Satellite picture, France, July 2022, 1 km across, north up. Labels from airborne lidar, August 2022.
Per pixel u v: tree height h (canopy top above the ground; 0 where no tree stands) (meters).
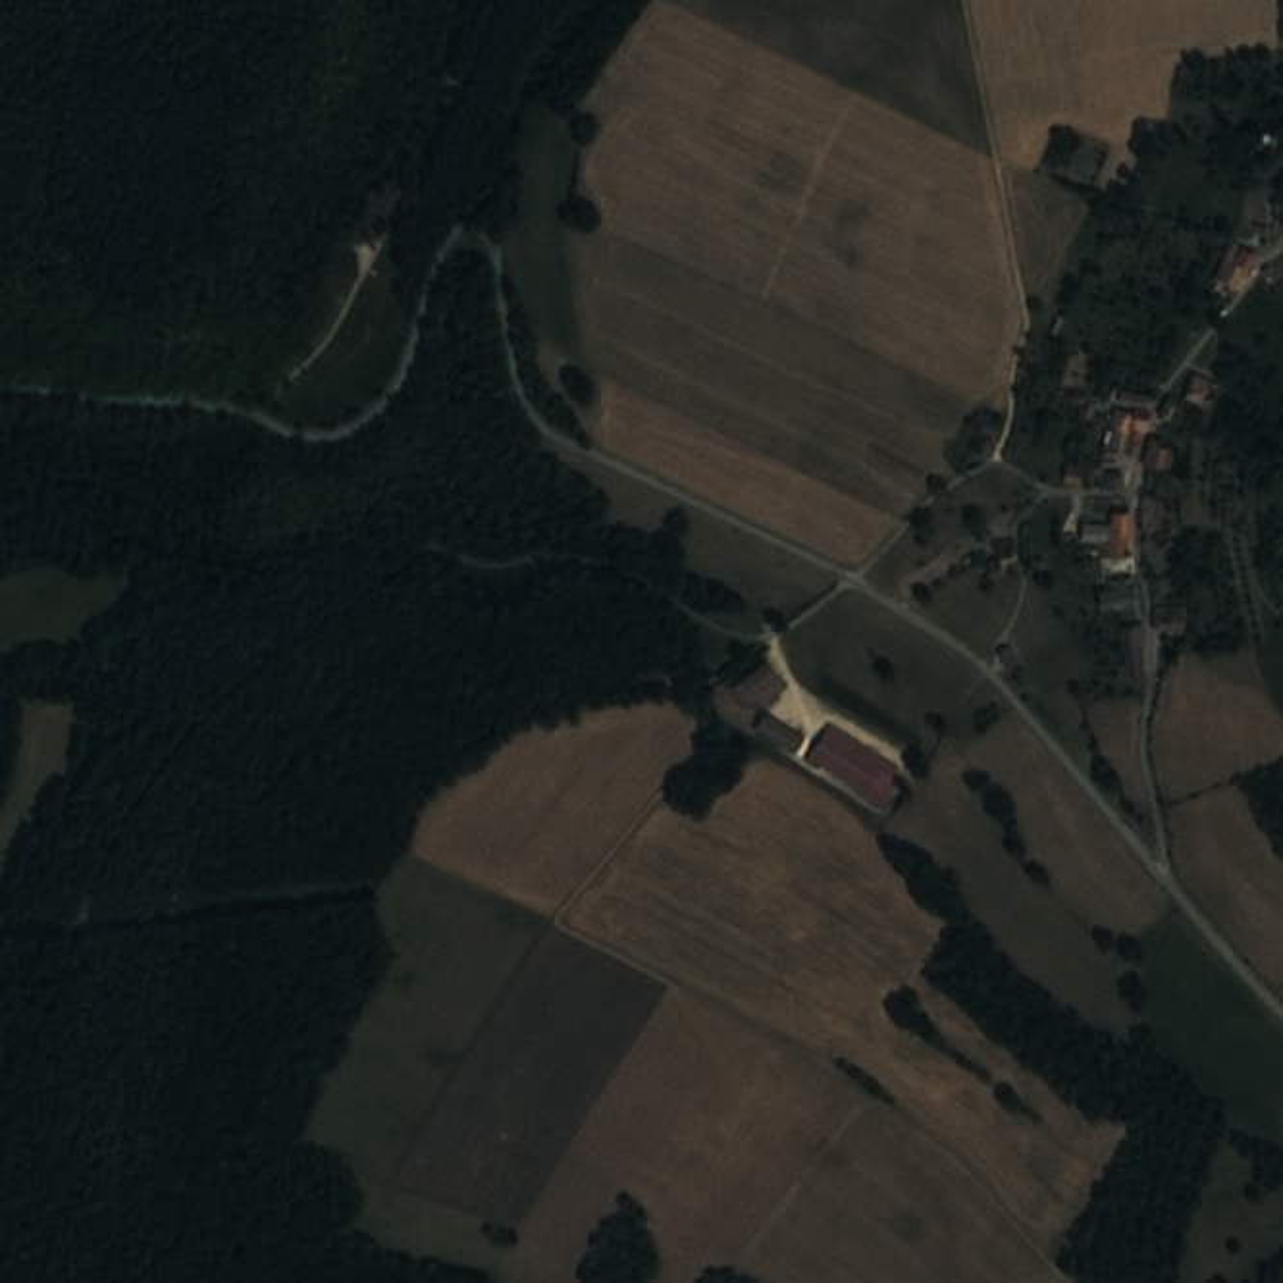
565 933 0
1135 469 0
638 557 20
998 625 0
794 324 0
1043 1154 0
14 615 0
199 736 15
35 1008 21
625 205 0
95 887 14
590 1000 0
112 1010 15
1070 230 0
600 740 0
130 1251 15
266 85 14
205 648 25
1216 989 0
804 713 0
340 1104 0
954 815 0
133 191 15
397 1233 0
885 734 0
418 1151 0
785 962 0
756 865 0
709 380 0
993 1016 17
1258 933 0
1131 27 0
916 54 0
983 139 0
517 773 0
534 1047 0
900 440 0
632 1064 0
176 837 14
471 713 18
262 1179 19
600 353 0
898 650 0
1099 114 0
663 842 0
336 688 16
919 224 0
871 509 0
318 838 19
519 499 10
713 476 0
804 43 0
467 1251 0
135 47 17
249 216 13
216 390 16
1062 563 0
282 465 15
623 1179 0
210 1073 18
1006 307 0
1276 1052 0
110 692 8
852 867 0
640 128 0
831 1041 0
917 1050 0
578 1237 0
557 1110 0
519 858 0
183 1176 15
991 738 0
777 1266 0
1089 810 0
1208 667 0
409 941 0
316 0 14
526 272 0
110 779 24
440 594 17
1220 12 0
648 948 0
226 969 18
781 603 0
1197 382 0
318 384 0
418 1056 0
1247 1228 0
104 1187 13
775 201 0
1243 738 0
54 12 13
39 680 11
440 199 23
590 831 0
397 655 20
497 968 0
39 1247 15
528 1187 0
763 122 0
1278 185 15
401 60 16
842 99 0
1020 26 0
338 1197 14
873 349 0
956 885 11
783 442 0
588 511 20
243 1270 21
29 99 15
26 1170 17
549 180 0
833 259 0
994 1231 0
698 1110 0
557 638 19
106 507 20
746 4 0
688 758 0
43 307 10
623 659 14
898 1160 0
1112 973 0
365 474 8
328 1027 19
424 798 10
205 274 13
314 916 15
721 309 0
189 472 11
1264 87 7
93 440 12
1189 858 0
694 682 15
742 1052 0
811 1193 0
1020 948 0
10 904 21
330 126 17
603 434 0
